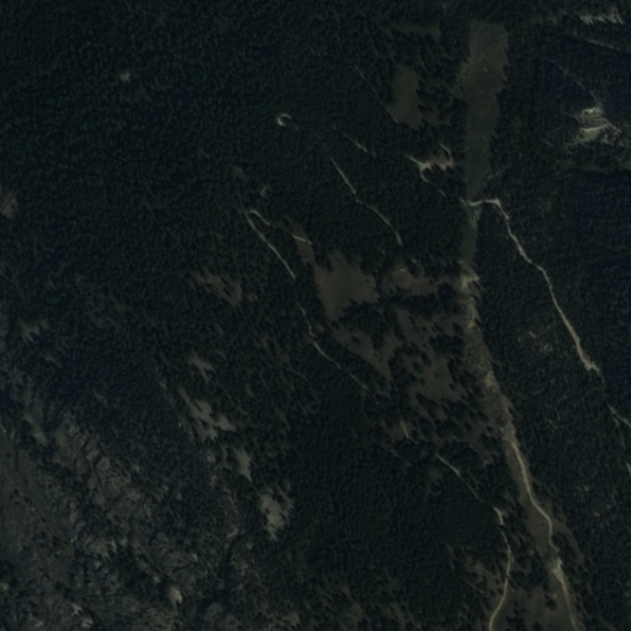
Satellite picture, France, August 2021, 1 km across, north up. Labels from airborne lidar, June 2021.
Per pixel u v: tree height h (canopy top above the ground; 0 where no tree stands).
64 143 20
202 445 8
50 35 12
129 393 11
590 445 13
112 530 12
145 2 20
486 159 0
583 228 12
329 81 18
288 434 0
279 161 16
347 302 0
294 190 14
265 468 13
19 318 15
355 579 18
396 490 22
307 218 17
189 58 19
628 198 16
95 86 12
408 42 19
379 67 19
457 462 17
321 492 30
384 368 0
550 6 9
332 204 21
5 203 0
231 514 10
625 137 12
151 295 17
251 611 12
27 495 0
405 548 17
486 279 22
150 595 14
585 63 12
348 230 22
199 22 22
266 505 0
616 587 16
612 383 9
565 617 0
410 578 13
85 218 16
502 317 14
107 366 10
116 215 9
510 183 14
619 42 12
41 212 19
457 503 20
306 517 22
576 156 9
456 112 17
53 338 12
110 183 9
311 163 13
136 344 7
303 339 15
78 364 10
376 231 22
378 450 23
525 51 20
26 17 11
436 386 0
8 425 10
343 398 22
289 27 13
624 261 9
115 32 7
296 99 17
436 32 0
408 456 16
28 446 12
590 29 14
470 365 0
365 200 16
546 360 6
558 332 10
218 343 16
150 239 19
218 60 20
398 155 15
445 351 18
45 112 20
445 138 9
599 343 7
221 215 16
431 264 14
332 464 26
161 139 20
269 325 12
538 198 13
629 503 8
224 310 24
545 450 14
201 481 8
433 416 15
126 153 21
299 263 17
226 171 16
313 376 22
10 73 13
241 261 10
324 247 18
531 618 0
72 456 0
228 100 22
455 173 22
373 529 18
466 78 0
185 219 19
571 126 8
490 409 0
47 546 7
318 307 24
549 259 13
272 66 18
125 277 17
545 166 11
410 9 16
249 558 9
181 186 18
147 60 15
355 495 24
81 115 20
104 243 10
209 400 22
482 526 17
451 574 21
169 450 11
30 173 23
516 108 24
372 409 12
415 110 0
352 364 23
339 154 19
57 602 0
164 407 8
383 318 20
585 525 17
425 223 24
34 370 8
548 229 6
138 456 14
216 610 0
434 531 24
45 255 11
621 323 19
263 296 18
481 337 0
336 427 25
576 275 13
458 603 15
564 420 11
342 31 12
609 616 19
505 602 0
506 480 18
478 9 18
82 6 10
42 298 13
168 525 6
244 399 19
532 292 13
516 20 17
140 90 18
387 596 13
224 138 16
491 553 17
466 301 0
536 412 17
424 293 0
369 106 17
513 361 11
